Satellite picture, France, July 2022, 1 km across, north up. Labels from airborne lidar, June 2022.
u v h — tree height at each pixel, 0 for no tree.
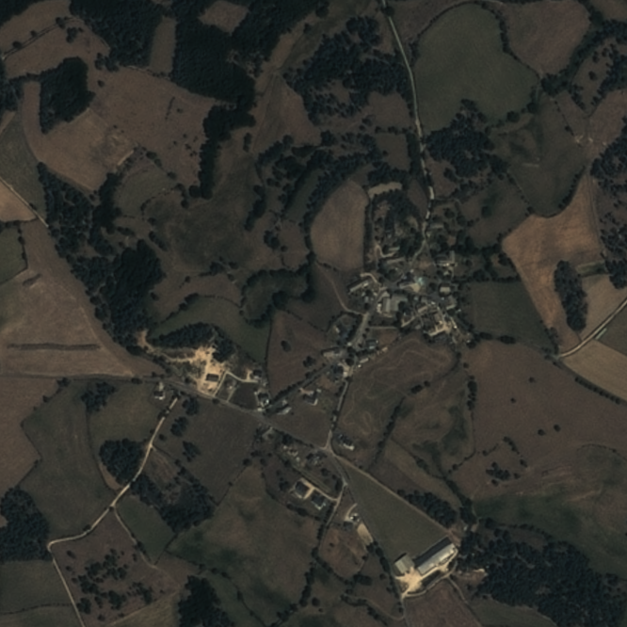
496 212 0
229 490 0
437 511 12
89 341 0
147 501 10
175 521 7
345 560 0
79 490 0
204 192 17
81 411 0
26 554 16
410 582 0
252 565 0
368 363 0
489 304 0
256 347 0
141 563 0
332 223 0
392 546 0
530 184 0
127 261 14
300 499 0
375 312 0
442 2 0
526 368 0
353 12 0
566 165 0
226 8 0
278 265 0
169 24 0
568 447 0
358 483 0
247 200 0
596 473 0
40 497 0
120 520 0
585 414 0
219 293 0
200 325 12
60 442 0
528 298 0
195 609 13
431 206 6
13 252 0
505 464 0
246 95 24
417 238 9
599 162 11
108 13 17
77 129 0
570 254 0
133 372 0
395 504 0
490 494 0
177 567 0
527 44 0
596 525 0
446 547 0
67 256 8
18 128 0
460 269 0
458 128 22
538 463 0
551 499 0
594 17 8
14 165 0
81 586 7
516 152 0
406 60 0
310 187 0
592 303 0
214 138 20
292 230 0
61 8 0
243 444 0
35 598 0
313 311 0
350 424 0
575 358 0
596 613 18
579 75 0
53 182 21
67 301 0
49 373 0
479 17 0
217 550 0
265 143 0
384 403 0
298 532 0
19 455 0
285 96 0
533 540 0
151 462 0
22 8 13
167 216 0
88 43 0
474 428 0
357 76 17
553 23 0
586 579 24
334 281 0
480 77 0
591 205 0
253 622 0
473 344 8
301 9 16
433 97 0
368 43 13
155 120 0
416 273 0
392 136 0
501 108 0
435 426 0
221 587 0
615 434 0
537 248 0
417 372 0
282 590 0
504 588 23
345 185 0
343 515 0
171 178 12
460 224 10
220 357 15
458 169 20
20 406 0
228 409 0
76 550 0
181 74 21
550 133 0
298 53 0
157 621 0
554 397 0
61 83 14
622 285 13
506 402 0
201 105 0
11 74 0
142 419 0
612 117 0
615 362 0
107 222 14
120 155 0
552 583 21
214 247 0
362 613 0
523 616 0
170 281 0
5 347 0
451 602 0
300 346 0
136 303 20
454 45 0
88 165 0
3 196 0
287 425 0
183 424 18
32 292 0
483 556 20
